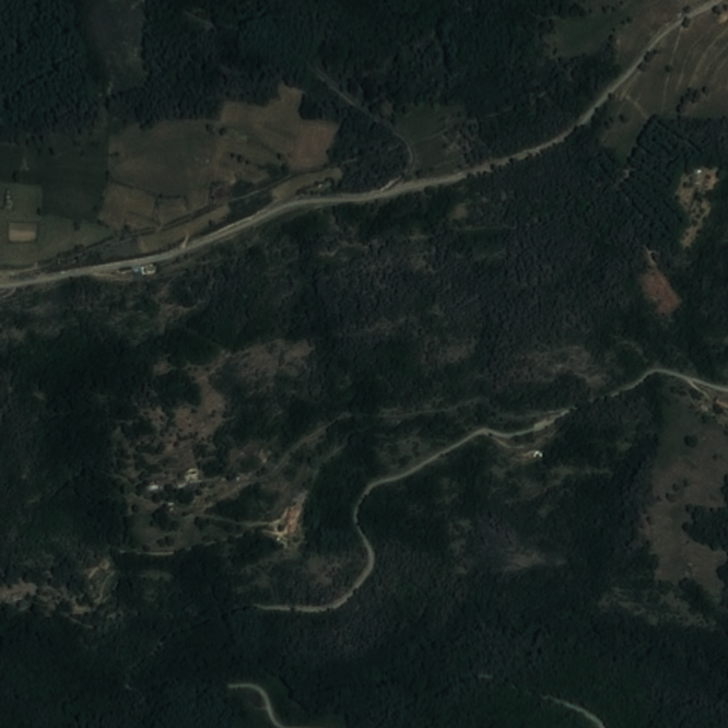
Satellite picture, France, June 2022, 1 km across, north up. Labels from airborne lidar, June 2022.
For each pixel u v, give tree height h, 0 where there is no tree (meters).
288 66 27
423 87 10
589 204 17
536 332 16
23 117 28
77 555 6
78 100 32
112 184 0
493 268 11
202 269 10
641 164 24
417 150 0
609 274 17
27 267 0
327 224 0
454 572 6
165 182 0
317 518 19
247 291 12
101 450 17
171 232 0
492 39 18
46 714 21
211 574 17
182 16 14
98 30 0
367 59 15
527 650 22
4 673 23
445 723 13
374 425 10
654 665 25
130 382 14
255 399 7
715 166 10
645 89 0
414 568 10
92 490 29
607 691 18
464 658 15
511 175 19
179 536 0
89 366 21
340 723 0
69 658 25
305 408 12
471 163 14
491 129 8
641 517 13
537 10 11
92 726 21
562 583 12
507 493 6
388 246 15
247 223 0
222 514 9
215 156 0
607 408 13
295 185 0
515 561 0
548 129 16
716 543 17
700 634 12
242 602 7
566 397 15
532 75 11
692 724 26
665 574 0
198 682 16
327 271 15
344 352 14
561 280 8
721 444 0
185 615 11
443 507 6
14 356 11
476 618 23
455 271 14
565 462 8
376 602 6
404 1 13
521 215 13
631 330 14
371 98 10
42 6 41
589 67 14
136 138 0
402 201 7
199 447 7
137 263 0
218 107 10
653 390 15
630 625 14
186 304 9
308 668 22
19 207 0
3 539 13
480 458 10
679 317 12
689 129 9
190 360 7
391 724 14
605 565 9
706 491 0
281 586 6
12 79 37
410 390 8
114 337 8
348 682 24
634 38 0
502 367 11
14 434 14
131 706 14
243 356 0
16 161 0
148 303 11
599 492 12
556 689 18
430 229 11
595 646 23
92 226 0
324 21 15
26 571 11
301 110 12
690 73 0
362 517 17
